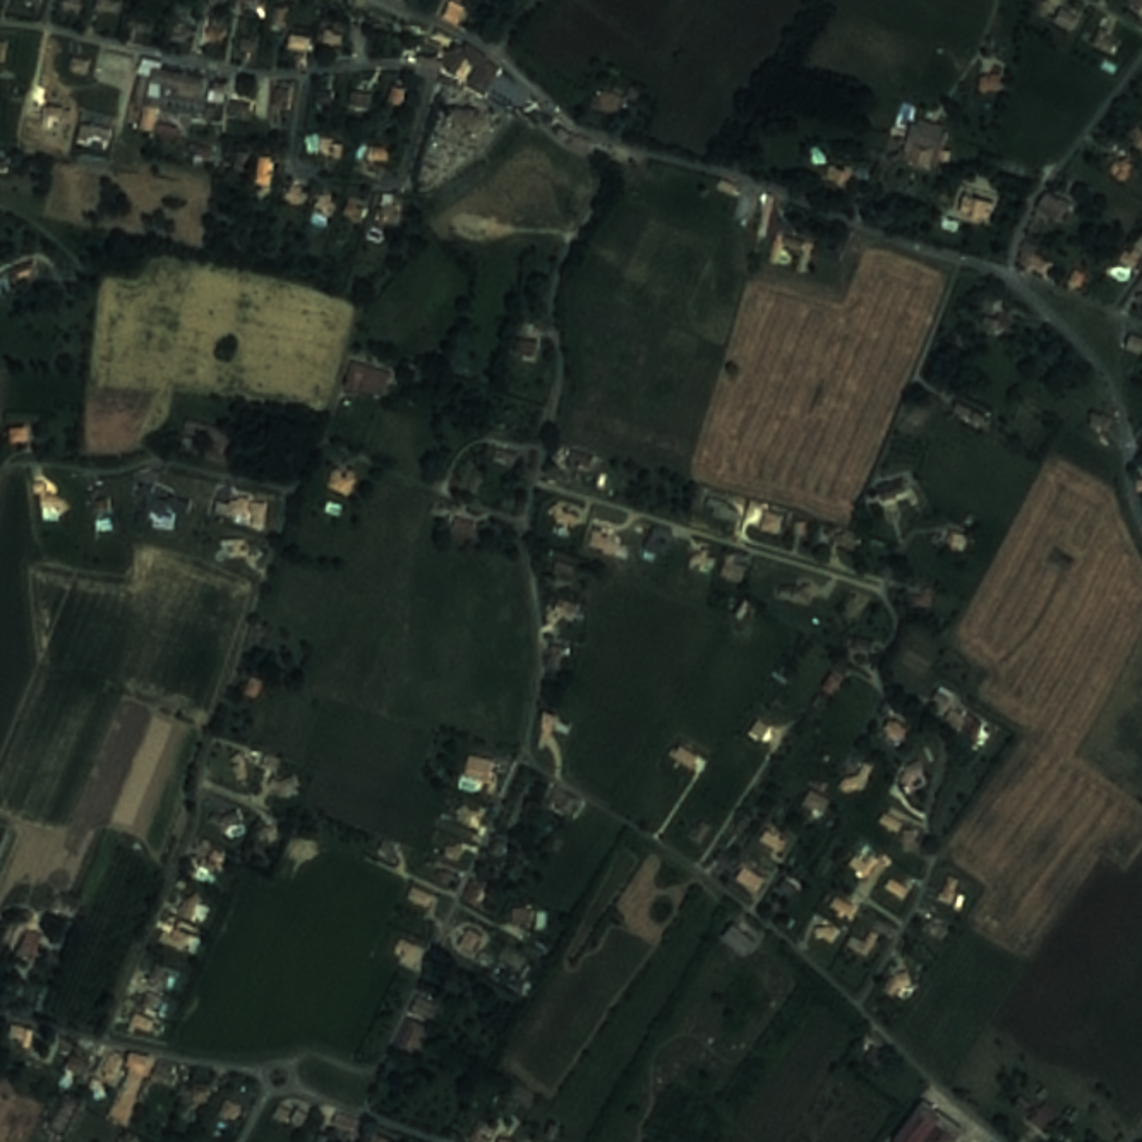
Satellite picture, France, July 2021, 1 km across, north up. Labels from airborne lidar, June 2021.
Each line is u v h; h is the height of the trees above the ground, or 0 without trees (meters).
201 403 0
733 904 6
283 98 0
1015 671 0
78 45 0
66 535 0
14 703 0
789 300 0
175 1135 6
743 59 0
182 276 0
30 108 0
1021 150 0
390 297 0
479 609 0
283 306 0
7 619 0
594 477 0
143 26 0
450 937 0
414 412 0
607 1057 0
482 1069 12
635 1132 0
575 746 0
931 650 0
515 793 7
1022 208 10
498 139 0
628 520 0
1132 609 0
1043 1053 0
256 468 17
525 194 0
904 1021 0
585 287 0
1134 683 0
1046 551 0
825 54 0
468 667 0
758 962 0
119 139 0
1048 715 0
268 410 9
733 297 0
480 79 0
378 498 0
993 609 0
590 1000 0
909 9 0
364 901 0
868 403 0
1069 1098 0
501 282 0
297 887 0
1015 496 0
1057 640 0
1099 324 0
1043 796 0
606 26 0
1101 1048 0
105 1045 0
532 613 0
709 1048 0
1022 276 0
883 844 0
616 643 0
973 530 11
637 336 0
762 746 0
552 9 0
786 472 0
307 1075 0
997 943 0
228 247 11
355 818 0
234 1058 0
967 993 0
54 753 0
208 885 8
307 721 0
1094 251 12
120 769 0
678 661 0
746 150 24
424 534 0
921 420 0
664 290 0
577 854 0
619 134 13
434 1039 10
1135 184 0
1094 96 0
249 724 9
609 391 0
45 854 0
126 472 0
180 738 0
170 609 0
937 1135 0
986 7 0
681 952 0
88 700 0
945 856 0
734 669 0
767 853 0
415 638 0
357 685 0
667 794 0
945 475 0
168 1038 0
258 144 8
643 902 0
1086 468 0
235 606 0
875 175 9
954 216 0
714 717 0
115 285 0
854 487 0
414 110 13
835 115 19
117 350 0
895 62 0
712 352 0
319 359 0
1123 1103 0
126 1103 0
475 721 0
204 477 0
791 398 0
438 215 0
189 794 10
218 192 10
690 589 0
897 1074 13
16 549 0
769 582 0
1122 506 0
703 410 0
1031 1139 0
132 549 0
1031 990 0
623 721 0
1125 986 0
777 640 0
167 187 0
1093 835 0
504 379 8
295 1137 8
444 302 0
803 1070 0
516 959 0
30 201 0
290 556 8
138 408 0
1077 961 0
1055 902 0
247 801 0
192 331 0
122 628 0
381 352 13
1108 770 0
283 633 7
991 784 0
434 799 0
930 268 0
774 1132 0
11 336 0
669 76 0
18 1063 8
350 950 0
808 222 8
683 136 0
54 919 12
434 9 10
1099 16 0
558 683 8
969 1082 0
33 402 0
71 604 0
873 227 7
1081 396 0
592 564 10
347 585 0
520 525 0
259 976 0
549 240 0
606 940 0
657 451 0
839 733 0
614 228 0
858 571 8
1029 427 0
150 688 0
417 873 0
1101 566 0
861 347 0
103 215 11
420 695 0
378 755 0
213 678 0
